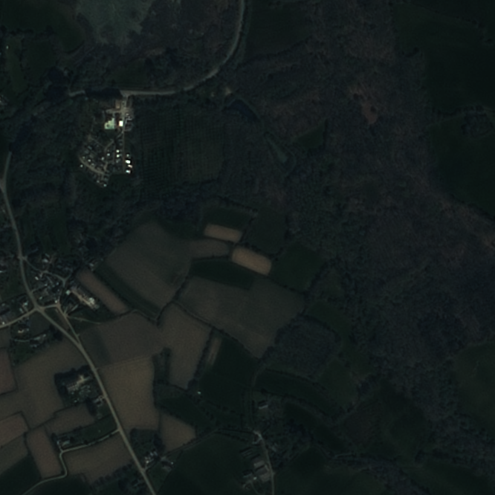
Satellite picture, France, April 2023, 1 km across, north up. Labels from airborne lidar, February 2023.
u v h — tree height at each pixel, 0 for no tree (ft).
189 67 42
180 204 57
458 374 0
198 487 0
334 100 61
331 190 36
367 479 0
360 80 45
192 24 0
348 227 32
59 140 33
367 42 26
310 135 0
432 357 65
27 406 0
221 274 0
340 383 0
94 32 0
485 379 0
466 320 54
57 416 0
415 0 0
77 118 45
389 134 46
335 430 47
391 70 35
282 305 0
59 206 25
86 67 31
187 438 0
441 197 30
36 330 0
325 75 40
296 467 0
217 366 0
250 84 44
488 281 54
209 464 0
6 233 21
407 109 20
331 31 44
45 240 0
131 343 0
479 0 0
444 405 35
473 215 25
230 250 0
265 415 0
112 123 0
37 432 0
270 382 0
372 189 0
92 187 0
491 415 0
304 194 111
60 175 30
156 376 0
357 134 61
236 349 0
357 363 0
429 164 25
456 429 53
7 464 0
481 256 62
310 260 0
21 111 27
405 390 95
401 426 0
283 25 0
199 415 0
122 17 0
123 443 0
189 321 0
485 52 0
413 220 53
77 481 0
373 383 68
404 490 75
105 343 0
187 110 20
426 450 0
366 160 68
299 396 0
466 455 26
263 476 0
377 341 47
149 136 52
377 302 61
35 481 0
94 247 72
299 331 45
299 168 31
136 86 0
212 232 0
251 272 0
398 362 60
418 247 59
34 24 0
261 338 0
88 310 19
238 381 0
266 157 51
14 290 0
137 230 0
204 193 65
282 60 43
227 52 32
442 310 60
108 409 0
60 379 38
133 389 0
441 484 0
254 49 0
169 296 0
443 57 0
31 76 0
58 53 95
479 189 0
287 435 20
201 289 0
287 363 44
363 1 50
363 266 42
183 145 39
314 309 0
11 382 0
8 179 0
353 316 24
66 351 0
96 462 0
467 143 0
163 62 32
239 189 51
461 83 0
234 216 0
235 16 49
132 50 0
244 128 47
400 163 49
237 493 0
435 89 0
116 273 0
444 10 0
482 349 0
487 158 0
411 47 0
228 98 33
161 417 0
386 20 23
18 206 55
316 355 57
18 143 67
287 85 33
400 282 38
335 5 52
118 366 0
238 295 0
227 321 0
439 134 0
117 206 34
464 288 63
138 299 0
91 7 0
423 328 67
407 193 60
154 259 0
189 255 0
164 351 0
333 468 0
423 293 54
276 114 27
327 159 55
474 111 22
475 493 0
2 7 0
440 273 44
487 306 51
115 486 0
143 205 58
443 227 48
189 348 0
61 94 72
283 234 0
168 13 0
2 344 0
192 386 39
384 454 0
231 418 0
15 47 0
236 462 0
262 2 0
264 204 46
